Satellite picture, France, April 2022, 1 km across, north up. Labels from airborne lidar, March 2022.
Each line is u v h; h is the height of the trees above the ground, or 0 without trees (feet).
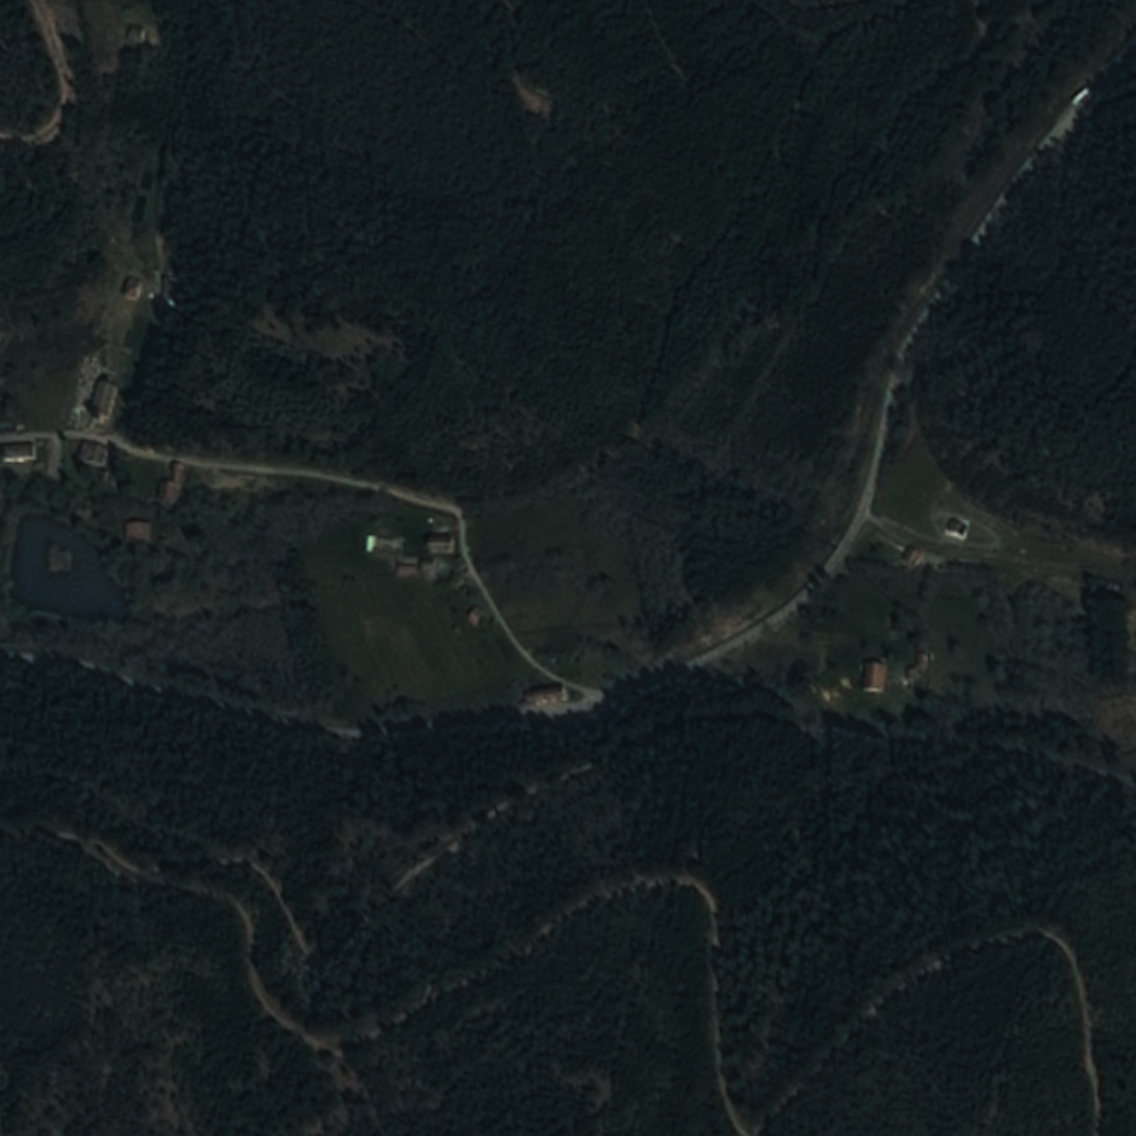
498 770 85
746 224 97
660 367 73
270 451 63
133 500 54
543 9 64
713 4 66
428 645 0
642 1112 23
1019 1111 28
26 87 93
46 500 73
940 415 25
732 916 51
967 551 0
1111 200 40
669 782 45
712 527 67
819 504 50
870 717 0
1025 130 86
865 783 91
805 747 47
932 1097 29
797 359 30
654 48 67
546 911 47
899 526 0
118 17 0
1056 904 45
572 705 0
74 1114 39
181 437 57
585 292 73
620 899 29
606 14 62
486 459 37
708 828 49
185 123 55
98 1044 20
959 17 74
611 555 0
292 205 89
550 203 58
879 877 26
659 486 76
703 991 53
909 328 0
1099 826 36
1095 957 41
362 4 44
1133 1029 26
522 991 39
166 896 50
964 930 33
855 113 69
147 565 69
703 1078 56
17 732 49
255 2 40
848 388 37
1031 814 39
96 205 36
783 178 79
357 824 96
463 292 43
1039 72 74
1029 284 42
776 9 88
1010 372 68
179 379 83
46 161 58
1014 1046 33
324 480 0
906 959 34
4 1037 30
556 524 0
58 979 24
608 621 0
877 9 59
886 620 0
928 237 22
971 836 23
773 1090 41
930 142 90
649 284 68
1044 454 69
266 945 62
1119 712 0
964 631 0
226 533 65
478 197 53
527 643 0
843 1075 22
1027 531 23
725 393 31
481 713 0
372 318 38
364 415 38
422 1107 31
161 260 0
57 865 27
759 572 86
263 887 33
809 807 51
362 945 70
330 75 48
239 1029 41
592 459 62
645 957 30
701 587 68
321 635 72
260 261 65
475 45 67
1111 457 75
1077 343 68
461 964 37
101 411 0
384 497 52
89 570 0
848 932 31
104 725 47
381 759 55
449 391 54
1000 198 0
